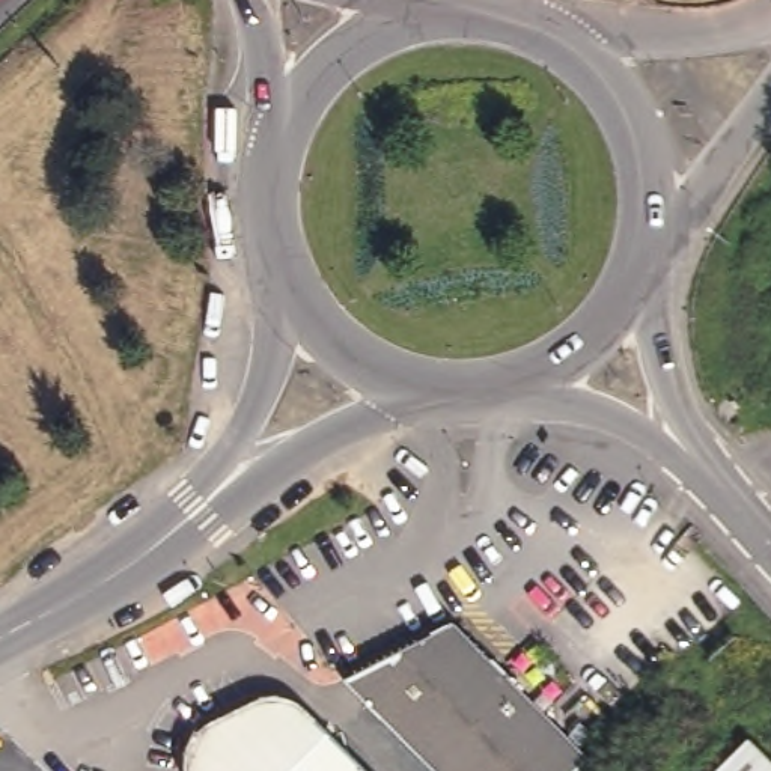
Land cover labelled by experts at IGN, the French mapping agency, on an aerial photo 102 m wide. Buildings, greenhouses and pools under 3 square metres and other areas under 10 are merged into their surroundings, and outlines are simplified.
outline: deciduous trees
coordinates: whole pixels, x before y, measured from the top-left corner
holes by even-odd
[[[485,241],[494,250],[497,268],[521,271],[527,259],[542,253],[536,208],[530,199],[515,211],[518,220],[506,229],[503,238]]]
[[[413,232],[382,217],[367,232],[367,247],[389,268],[392,277],[401,277],[401,271],[410,265],[410,256],[401,247],[413,244]]]
[[[6,485],[0,485],[0,515],[24,506],[30,494],[30,479],[24,470],[18,470]]]
[[[51,446],[66,458],[87,452],[90,446],[84,422],[78,422],[72,431],[57,431],[51,437]]]
[[[187,265],[193,256],[214,250],[208,202],[214,196],[223,196],[226,187],[220,181],[205,178],[202,169],[196,166],[178,187],[151,187],[148,229],[172,262]]]
[[[90,298],[102,313],[102,322],[120,310],[123,283],[117,280],[111,289],[99,289]]]
[[[386,136],[386,166],[398,169],[425,166],[428,154],[434,151],[434,123],[419,120],[401,117]]]
[[[139,349],[123,346],[117,352],[123,370],[142,367],[151,358],[151,343],[145,340]]]
[[[78,51],[69,60],[69,69],[60,81],[63,111],[57,117],[45,154],[45,184],[69,232],[84,235],[93,229],[108,229],[114,220],[120,202],[114,190],[114,175],[120,166],[120,142],[148,120],[148,102],[142,90],[133,87],[130,75],[111,66],[108,57]]]
[[[539,139],[521,114],[500,120],[497,133],[488,136],[500,160],[533,163],[539,151]]]

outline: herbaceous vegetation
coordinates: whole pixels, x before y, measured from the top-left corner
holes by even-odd
[[[738,602],[750,599],[723,563],[723,557],[711,551],[705,542],[699,542],[693,554],[714,572],[717,581],[723,581],[723,587],[729,587],[738,596]]]
[[[771,431],[771,262],[747,262],[735,271],[735,253],[741,232],[750,226],[747,214],[771,202],[771,154],[765,151],[765,160],[753,169],[741,196],[729,205],[726,217],[714,229],[687,292],[687,340],[702,395],[708,401],[738,404],[732,428],[744,428],[747,434]]]
[[[425,166],[398,169],[386,166],[386,136],[401,117],[419,120],[419,90],[473,84],[479,75],[488,75],[482,81],[482,93],[476,96],[476,123],[434,123],[434,151],[428,154]],[[539,139],[539,151],[533,163],[500,160],[488,136],[497,133],[500,120],[521,114]],[[527,259],[521,271],[497,268],[494,250],[485,241],[503,238],[506,229],[518,220],[515,211],[530,199],[536,208],[542,253]],[[614,229],[614,169],[602,133],[590,117],[587,105],[551,72],[494,48],[437,45],[386,60],[361,81],[355,81],[328,111],[325,123],[313,139],[301,184],[304,232],[322,280],[361,325],[367,325],[382,340],[404,346],[410,352],[440,358],[497,355],[557,328],[590,292],[608,256]],[[367,247],[367,232],[382,217],[413,232],[413,244],[401,247],[410,256],[410,265],[401,271],[401,277],[392,277],[389,268]]]
[[[729,626],[723,617],[723,623],[708,629],[699,645],[702,654],[711,654],[726,645]]]
[[[0,0],[0,63],[12,54],[45,54],[45,36],[78,21],[90,0]]]
[[[292,551],[313,545],[319,533],[337,542],[337,533],[349,521],[361,518],[370,503],[367,497],[346,488],[337,500],[331,500],[328,494],[319,500],[310,494],[301,497],[289,515],[274,521],[253,545],[247,545],[241,554],[226,557],[205,575],[205,593],[217,599],[220,593],[238,587],[244,578],[256,578],[259,569],[277,560],[292,563]]]

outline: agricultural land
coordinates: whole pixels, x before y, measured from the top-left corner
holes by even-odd
[[[205,322],[196,319],[196,307],[202,283],[214,283],[214,250],[193,256],[187,265],[172,262],[148,229],[151,187],[178,187],[196,166],[202,169],[205,154],[217,145],[217,111],[208,108],[208,96],[226,90],[232,57],[232,30],[217,27],[211,21],[211,0],[90,0],[78,21],[45,36],[45,54],[12,54],[0,63],[0,485],[6,485],[18,470],[24,470],[30,479],[30,494],[24,506],[0,515],[0,587],[6,587],[15,575],[30,572],[30,557],[39,548],[54,548],[54,542],[66,533],[84,530],[99,509],[114,512],[117,497],[130,497],[126,491],[133,485],[154,476],[169,461],[181,458],[181,452],[190,446],[196,422],[202,419],[199,410],[190,407],[193,373],[196,367],[205,367],[208,358],[208,349],[202,343]],[[63,111],[60,81],[69,69],[69,60],[78,51],[108,57],[111,66],[130,75],[133,87],[142,90],[148,102],[148,120],[120,142],[120,166],[114,175],[114,190],[120,202],[114,220],[108,229],[93,229],[84,235],[69,232],[45,184],[45,154],[57,117]],[[102,322],[102,313],[90,298],[99,289],[111,289],[117,280],[123,283],[120,310]],[[139,349],[145,340],[151,343],[151,358],[142,367],[123,370],[117,352],[123,346]],[[90,446],[87,452],[66,458],[51,446],[51,437],[57,431],[72,431],[78,422],[84,422]]]

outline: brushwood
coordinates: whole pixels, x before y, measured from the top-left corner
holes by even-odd
[[[717,771],[741,744],[753,744],[771,762],[771,617],[750,599],[738,602],[738,608],[729,608],[723,617],[729,626],[726,645],[711,654],[702,654],[699,645],[690,645],[687,651],[669,648],[657,672],[641,675],[635,687],[623,687],[614,705],[599,705],[596,714],[587,714],[584,729],[578,771]]]
[[[473,84],[419,90],[419,120],[434,123],[476,123],[476,96],[482,93],[482,81],[488,75],[479,75]]]
[[[747,262],[771,262],[771,202],[747,214],[750,226],[741,232],[735,253],[735,271]]]

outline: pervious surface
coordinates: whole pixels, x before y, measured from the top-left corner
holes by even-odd
[[[557,15],[566,15],[575,24],[584,24],[584,18],[575,15],[578,6],[596,12],[599,3],[626,6],[629,0],[533,0]]]

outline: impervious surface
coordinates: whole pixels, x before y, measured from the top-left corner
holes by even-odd
[[[431,629],[446,623],[461,629],[482,657],[500,663],[506,672],[515,669],[512,687],[527,690],[530,699],[539,699],[539,708],[551,720],[563,720],[563,732],[572,732],[575,726],[584,729],[587,714],[596,714],[599,705],[614,705],[623,687],[635,687],[641,675],[657,672],[669,648],[687,651],[690,645],[699,645],[708,629],[723,623],[723,617],[729,608],[738,608],[738,602],[738,596],[729,587],[723,587],[723,581],[717,581],[714,572],[693,554],[699,542],[705,542],[711,551],[723,557],[723,563],[750,599],[771,617],[771,431],[747,434],[744,428],[732,428],[738,404],[708,401],[702,395],[687,340],[687,292],[714,229],[726,217],[729,205],[741,196],[753,169],[765,160],[765,151],[771,154],[771,0],[629,0],[626,6],[599,3],[596,12],[578,6],[575,15],[584,18],[584,24],[575,24],[566,15],[557,15],[533,0],[211,0],[211,21],[217,27],[232,30],[232,57],[226,90],[208,96],[208,108],[217,111],[217,145],[205,154],[202,169],[205,178],[220,181],[226,187],[223,196],[214,196],[208,202],[214,250],[214,283],[202,283],[196,307],[196,319],[205,322],[202,343],[208,349],[208,358],[205,367],[196,367],[193,373],[190,407],[199,410],[202,419],[196,422],[190,446],[181,452],[181,458],[169,461],[154,476],[133,485],[126,491],[130,497],[117,497],[114,512],[99,509],[84,530],[66,533],[54,542],[54,548],[39,548],[30,557],[30,572],[15,575],[6,587],[0,587],[0,771],[187,771],[184,753],[196,732],[265,696],[277,696],[298,705],[322,729],[322,735],[328,735],[361,771],[434,771],[434,765],[425,762],[425,756],[376,705],[364,711],[367,699],[358,693],[358,687],[340,693],[334,681],[425,638]],[[325,123],[328,111],[355,81],[361,81],[386,60],[437,45],[494,48],[551,72],[587,105],[590,117],[602,133],[614,169],[614,229],[608,256],[590,292],[557,328],[497,355],[440,358],[410,352],[404,346],[382,340],[367,325],[361,325],[322,280],[304,232],[301,184],[313,139]],[[313,545],[292,551],[292,563],[277,560],[259,569],[256,578],[244,578],[238,587],[220,593],[217,599],[205,593],[205,575],[226,557],[241,554],[247,545],[253,545],[274,521],[289,515],[301,497],[310,494],[319,500],[328,494],[331,500],[337,500],[346,488],[367,497],[370,503],[361,518],[349,521],[337,533],[337,542],[319,533]]]

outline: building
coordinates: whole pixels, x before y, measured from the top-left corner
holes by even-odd
[[[717,771],[771,771],[771,762],[753,744],[741,744]]]
[[[578,771],[584,729],[575,726],[572,732],[563,732],[563,720],[551,720],[539,708],[539,699],[530,699],[527,690],[512,687],[515,669],[506,672],[500,663],[482,657],[461,629],[446,623],[431,629],[425,638],[334,681],[340,693],[358,687],[358,693],[367,699],[364,711],[376,705],[425,756],[425,762],[434,765],[434,771]]]
[[[277,696],[265,696],[196,732],[184,753],[187,771],[361,771],[328,735],[322,735],[322,729],[298,705]]]

